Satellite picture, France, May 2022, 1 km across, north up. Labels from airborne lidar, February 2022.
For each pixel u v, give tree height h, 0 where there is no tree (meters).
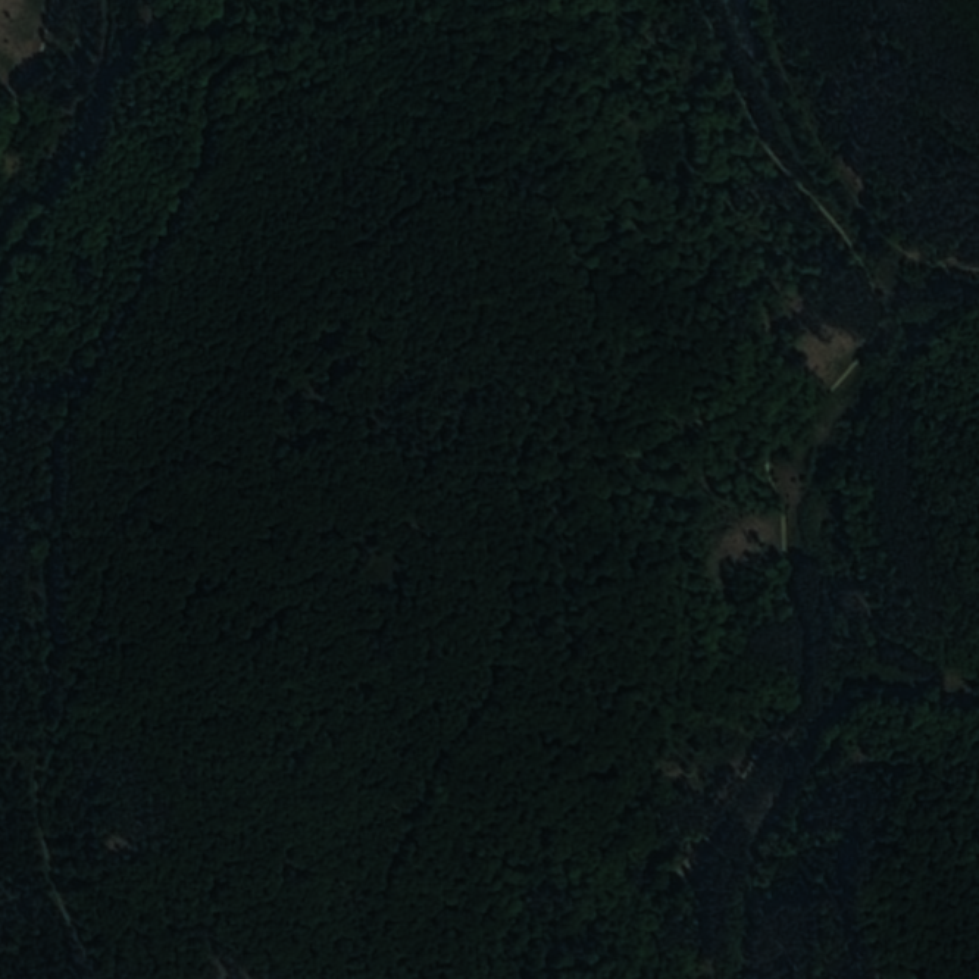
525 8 26
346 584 22
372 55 28
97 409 26
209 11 30
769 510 28
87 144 34
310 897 22
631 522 36
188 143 32
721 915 36
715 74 24
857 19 13
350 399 23
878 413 20
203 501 25
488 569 26
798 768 34
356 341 25
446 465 23
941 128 16
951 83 21
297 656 21
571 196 29
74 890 25
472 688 20
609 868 32
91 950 24
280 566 22
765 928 33
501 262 25
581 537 33
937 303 23
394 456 22
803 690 36
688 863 0
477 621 25
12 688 34
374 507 24
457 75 28
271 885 24
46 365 11
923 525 20
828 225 8
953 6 17
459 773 26
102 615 23
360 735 20
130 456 25
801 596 33
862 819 18
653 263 30
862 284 29
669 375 29
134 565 26
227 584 21
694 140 29
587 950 37
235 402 26
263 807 24
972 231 34
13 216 33
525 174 35
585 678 30
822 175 28
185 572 22
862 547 29
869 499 18
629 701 31
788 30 12
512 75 29
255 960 20
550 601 30
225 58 17
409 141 28
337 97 30
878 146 34
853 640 33
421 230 25
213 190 27
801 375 30
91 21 30
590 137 32
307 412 23
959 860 32
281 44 29
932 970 30
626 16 0
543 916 25
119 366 29
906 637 24
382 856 24
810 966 32
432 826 27
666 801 37
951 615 26
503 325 26
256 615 23
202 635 25
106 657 22
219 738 25
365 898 26
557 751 29
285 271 28
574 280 26
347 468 24
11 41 0
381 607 20
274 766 22
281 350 27
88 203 31
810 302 24
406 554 21
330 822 21
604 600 31
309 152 27
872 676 0
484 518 21
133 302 28
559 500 26
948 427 30
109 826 22
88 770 25
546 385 26
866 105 32
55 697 21
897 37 19
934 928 30
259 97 25
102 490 27
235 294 28
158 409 28
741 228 34
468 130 27
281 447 26
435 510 21
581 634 29
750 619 28
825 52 13
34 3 0
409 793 21
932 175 30
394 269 28
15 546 32
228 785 22
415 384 9
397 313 26
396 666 21
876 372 27
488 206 29
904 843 28
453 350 29
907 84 12
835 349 0
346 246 26
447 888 26
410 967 20
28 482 31
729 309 33
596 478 32
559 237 31
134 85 33
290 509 24
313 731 22
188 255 27
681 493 36
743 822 30
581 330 29
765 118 32
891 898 32
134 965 31
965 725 31
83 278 35
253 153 28
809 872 34
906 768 20
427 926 25
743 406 30
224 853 26
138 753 28
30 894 37
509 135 28
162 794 25
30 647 31
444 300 28
